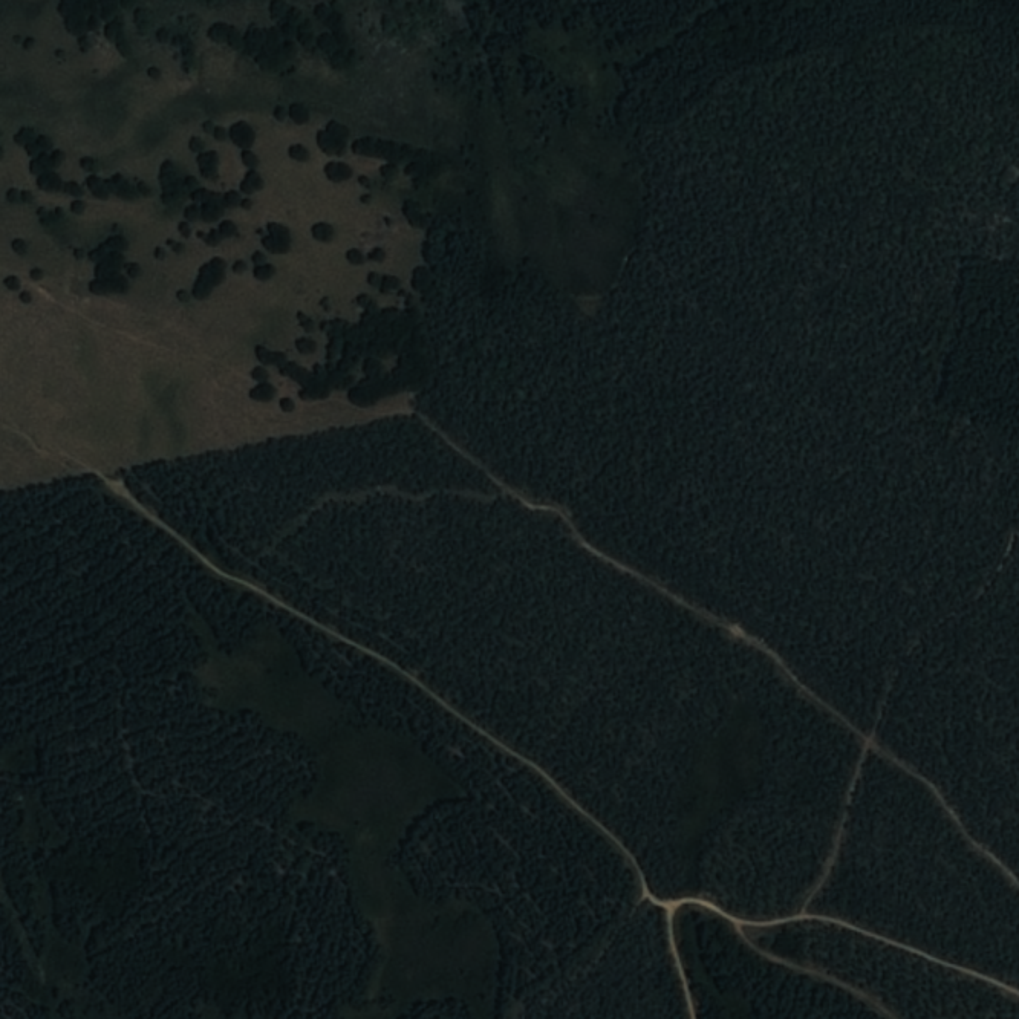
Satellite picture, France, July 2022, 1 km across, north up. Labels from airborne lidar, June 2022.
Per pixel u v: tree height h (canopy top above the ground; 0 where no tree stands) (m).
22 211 0
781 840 8
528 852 18
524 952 14
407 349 11
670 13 17
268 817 14
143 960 19
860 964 12
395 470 8
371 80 0
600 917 16
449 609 10
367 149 14
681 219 10
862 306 11
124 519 18
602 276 0
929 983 9
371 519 8
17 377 0
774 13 15
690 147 12
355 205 0
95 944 19
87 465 0
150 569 17
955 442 8
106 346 0
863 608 9
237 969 8
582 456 9
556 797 19
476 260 25
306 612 11
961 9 17
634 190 0
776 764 6
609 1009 9
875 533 7
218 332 0
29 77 0
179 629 21
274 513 10
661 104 12
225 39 7
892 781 9
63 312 0
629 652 9
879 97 10
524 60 12
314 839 15
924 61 9
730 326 7
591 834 19
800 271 8
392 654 17
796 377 6
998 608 10
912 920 8
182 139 0
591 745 8
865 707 11
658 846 8
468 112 0
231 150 0
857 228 10
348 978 23
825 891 7
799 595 9
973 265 14
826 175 10
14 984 21
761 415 7
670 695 9
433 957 0
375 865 0
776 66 11
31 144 12
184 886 15
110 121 0
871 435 11
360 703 20
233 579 0
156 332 0
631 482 7
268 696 0
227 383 0
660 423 9
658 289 10
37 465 0
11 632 17
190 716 17
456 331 6
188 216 10
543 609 8
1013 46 17
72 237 0
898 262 11
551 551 7
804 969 0
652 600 11
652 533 9
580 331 7
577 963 9
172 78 0
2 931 13
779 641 10
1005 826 9
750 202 9
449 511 9
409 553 8
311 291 0
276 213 0
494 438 10
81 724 19
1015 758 9
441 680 8
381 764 0
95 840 12
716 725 10
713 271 8
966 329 15
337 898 19
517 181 0
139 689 22
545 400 9
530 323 22
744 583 7
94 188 8
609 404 9
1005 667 10
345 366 11
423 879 16
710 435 6
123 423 0
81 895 23
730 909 10
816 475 10
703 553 10
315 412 0
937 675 9
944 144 8
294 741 15
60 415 0
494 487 9
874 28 18
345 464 8
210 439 0
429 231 9
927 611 10
